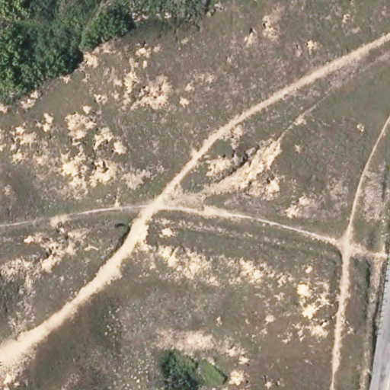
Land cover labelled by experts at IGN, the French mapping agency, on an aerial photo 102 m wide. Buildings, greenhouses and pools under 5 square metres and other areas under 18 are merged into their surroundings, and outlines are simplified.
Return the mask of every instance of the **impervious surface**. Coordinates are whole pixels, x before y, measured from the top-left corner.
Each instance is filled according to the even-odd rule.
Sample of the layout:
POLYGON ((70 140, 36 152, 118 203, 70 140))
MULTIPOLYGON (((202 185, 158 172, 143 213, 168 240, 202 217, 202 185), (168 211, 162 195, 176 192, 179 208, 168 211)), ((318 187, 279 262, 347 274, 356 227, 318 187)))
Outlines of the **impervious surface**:
POLYGON ((390 390, 390 285, 384 285, 381 315, 376 323, 378 338, 370 390, 390 390))

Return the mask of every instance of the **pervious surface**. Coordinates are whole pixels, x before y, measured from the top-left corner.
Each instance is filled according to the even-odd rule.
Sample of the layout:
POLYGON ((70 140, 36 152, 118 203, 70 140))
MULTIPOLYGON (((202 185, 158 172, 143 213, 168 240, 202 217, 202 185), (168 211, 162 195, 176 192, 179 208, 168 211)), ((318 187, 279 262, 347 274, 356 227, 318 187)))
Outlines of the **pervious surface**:
POLYGON ((350 296, 350 257, 360 256, 366 247, 361 247, 353 241, 353 227, 349 224, 343 238, 334 238, 305 230, 299 225, 282 224, 262 216, 257 216, 256 222, 296 232, 306 238, 329 242, 343 254, 329 390, 335 390, 337 370, 340 366, 344 311, 346 300, 350 296))
POLYGON ((24 225, 38 224, 43 218, 38 216, 0 222, 0 229, 17 229, 24 225))
POLYGON ((230 129, 236 123, 270 107, 286 94, 294 96, 303 85, 323 78, 338 67, 346 64, 356 66, 370 50, 390 41, 390 37, 382 35, 378 40, 363 44, 347 55, 328 62, 326 66, 318 67, 309 75, 297 79, 288 87, 271 94, 265 101, 230 119, 224 126, 213 131, 198 151, 195 149, 190 152, 190 160, 184 168, 172 178, 163 192, 148 204, 120 206, 119 203, 114 203, 113 206, 81 210, 84 216, 119 210, 137 213, 139 218, 131 225, 131 232, 120 250, 99 270, 96 277, 76 294, 75 299, 62 306, 61 311, 55 312, 49 320, 38 326, 26 334, 21 334, 17 341, 8 340, 0 344, 0 390, 9 390, 9 382, 17 378, 18 373, 23 372, 24 361, 34 360, 35 344, 47 337, 53 329, 58 328, 67 317, 75 314, 78 306, 93 292, 104 288, 111 280, 119 279, 120 262, 133 251, 136 242, 146 238, 146 224, 151 221, 151 216, 155 212, 180 210, 207 218, 219 216, 230 221, 250 221, 251 215, 207 206, 206 198, 213 193, 230 192, 236 187, 245 187, 259 172, 270 169, 274 158, 280 154, 280 143, 277 140, 262 140, 261 149, 245 163, 244 168, 235 172, 232 177, 225 178, 221 183, 206 184, 200 192, 183 192, 181 180, 198 166, 198 160, 209 151, 216 140, 227 139, 230 129))

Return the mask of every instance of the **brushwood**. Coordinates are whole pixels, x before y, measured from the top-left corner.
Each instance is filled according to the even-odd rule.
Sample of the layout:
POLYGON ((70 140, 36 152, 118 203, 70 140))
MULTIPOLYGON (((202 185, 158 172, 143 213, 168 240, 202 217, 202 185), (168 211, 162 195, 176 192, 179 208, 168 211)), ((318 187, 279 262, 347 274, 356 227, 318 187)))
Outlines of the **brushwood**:
POLYGON ((87 35, 93 49, 108 43, 116 37, 125 38, 136 24, 131 15, 108 8, 94 24, 94 32, 87 35))
POLYGON ((201 361, 193 360, 192 356, 184 355, 181 350, 168 350, 160 363, 165 390, 198 390, 200 387, 203 379, 197 379, 197 370, 201 361))
POLYGON ((40 53, 43 61, 37 61, 34 55, 34 41, 27 37, 24 38, 18 55, 9 53, 8 61, 0 66, 0 69, 12 70, 14 85, 32 93, 44 82, 53 81, 58 76, 70 75, 73 70, 78 69, 84 59, 84 55, 81 50, 69 53, 69 50, 62 49, 53 55, 52 61, 46 59, 43 52, 40 53))

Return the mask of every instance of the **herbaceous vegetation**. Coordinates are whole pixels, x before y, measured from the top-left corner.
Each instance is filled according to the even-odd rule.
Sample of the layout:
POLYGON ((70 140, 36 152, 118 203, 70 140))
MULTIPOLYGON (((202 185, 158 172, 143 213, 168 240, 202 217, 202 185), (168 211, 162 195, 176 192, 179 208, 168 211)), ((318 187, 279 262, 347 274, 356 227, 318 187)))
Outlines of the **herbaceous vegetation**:
POLYGON ((24 38, 27 37, 34 41, 34 55, 37 61, 43 61, 40 53, 43 52, 46 59, 52 61, 53 55, 62 49, 69 50, 69 53, 81 50, 84 55, 93 49, 87 35, 94 32, 94 24, 108 8, 131 15, 136 24, 125 38, 116 37, 108 43, 111 46, 110 53, 99 53, 97 66, 88 66, 84 59, 78 69, 73 70, 70 75, 58 76, 53 81, 44 82, 32 93, 14 85, 12 70, 0 69, 0 222, 38 216, 43 218, 38 224, 24 225, 17 229, 0 229, 0 344, 8 340, 14 331, 9 324, 9 317, 17 312, 18 302, 23 300, 20 296, 20 286, 24 285, 24 280, 17 274, 3 276, 2 265, 14 259, 23 259, 29 254, 41 254, 44 248, 38 245, 38 242, 24 242, 27 236, 46 233, 53 241, 62 244, 62 248, 67 248, 70 232, 88 229, 84 241, 76 242, 75 254, 62 256, 61 262, 53 265, 49 271, 44 270, 40 279, 32 283, 35 297, 32 306, 35 308, 35 323, 38 326, 49 320, 55 312, 61 311, 62 306, 75 299, 76 294, 96 277, 99 270, 120 250, 131 232, 131 225, 139 218, 137 213, 119 210, 84 216, 81 210, 113 206, 114 203, 119 203, 120 206, 148 204, 163 192, 172 178, 184 168, 190 160, 190 152, 195 149, 198 151, 213 131, 224 126, 230 119, 265 101, 271 94, 288 87, 297 79, 309 75, 318 67, 326 66, 328 62, 347 55, 363 44, 378 40, 382 35, 390 37, 390 0, 0 0, 0 66, 8 61, 9 53, 18 55, 24 38), (279 3, 283 6, 283 12, 279 20, 279 38, 274 41, 264 37, 264 17, 271 14, 279 3), (137 62, 136 75, 139 78, 139 82, 133 82, 133 90, 129 96, 131 101, 136 102, 140 99, 142 88, 146 88, 146 85, 151 84, 158 76, 165 76, 171 88, 168 99, 165 104, 161 104, 161 108, 155 110, 151 105, 142 105, 137 110, 120 110, 125 93, 125 76, 129 73, 131 58, 137 62), (69 134, 67 116, 70 114, 79 114, 94 123, 93 128, 88 129, 87 134, 82 137, 82 146, 87 157, 94 160, 108 158, 113 163, 122 165, 133 163, 133 168, 149 171, 151 177, 143 178, 136 189, 128 187, 123 178, 99 180, 96 186, 87 186, 87 197, 82 200, 59 195, 59 189, 72 181, 72 175, 62 175, 64 168, 61 155, 69 154, 72 158, 78 155, 78 149, 73 146, 72 136, 69 134), (114 151, 114 145, 110 140, 102 142, 99 148, 93 148, 94 136, 101 133, 101 129, 104 128, 110 129, 113 136, 120 137, 120 142, 125 148, 122 154, 114 151))
POLYGON ((364 276, 364 273, 366 268, 373 270, 373 264, 367 257, 360 256, 350 257, 350 296, 346 300, 344 311, 340 366, 337 370, 335 390, 366 390, 360 385, 360 376, 363 369, 369 369, 370 361, 373 360, 370 358, 372 323, 367 321, 372 280, 364 276))
POLYGON ((248 358, 245 364, 239 363, 235 356, 215 349, 198 349, 192 356, 193 360, 201 361, 213 358, 213 366, 221 373, 225 385, 200 387, 198 390, 329 390, 343 254, 329 242, 306 238, 296 232, 256 222, 250 221, 230 221, 219 216, 207 218, 180 210, 155 212, 151 216, 151 221, 146 224, 146 238, 136 242, 133 251, 120 262, 119 279, 111 280, 104 288, 93 292, 78 306, 75 314, 67 317, 58 328, 53 329, 47 337, 35 344, 34 360, 24 361, 23 372, 18 373, 17 378, 9 382, 9 390, 165 390, 160 363, 168 350, 157 347, 158 329, 198 331, 200 334, 210 335, 215 340, 232 337, 235 343, 245 350, 245 356, 248 358), (178 248, 177 256, 186 253, 190 248, 193 253, 204 254, 206 261, 213 254, 224 254, 232 259, 244 259, 253 265, 267 262, 273 270, 283 274, 289 273, 296 279, 309 279, 312 282, 328 280, 329 305, 314 312, 315 317, 328 321, 328 335, 320 337, 312 335, 311 331, 303 331, 305 340, 299 340, 296 323, 309 326, 309 320, 300 309, 299 291, 291 283, 279 285, 279 280, 273 277, 262 277, 261 282, 239 285, 229 283, 221 288, 219 294, 215 294, 212 285, 198 280, 197 288, 192 288, 189 279, 180 271, 169 267, 168 262, 160 256, 160 247, 178 248))

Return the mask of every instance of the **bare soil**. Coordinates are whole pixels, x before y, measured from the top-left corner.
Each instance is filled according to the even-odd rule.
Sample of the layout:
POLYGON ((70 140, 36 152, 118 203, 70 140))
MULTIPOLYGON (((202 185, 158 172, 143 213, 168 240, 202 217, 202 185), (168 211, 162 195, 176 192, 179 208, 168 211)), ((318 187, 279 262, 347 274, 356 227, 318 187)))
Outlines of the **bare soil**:
POLYGON ((165 76, 158 76, 151 84, 146 85, 146 88, 142 88, 140 99, 136 102, 131 101, 129 96, 133 90, 133 82, 139 82, 139 78, 136 75, 137 62, 131 58, 129 73, 125 76, 125 93, 120 110, 137 110, 142 105, 151 105, 155 110, 161 108, 161 104, 165 104, 168 99, 171 88, 165 76))
POLYGON ((215 340, 210 335, 200 334, 198 331, 158 329, 157 347, 168 350, 181 350, 184 355, 192 356, 198 349, 215 349, 235 356, 239 363, 245 364, 248 358, 245 356, 245 350, 235 343, 232 337, 215 340))
POLYGON ((283 12, 283 6, 279 3, 271 14, 264 17, 264 37, 274 41, 279 38, 279 20, 283 12))
POLYGON ((20 296, 23 300, 18 302, 17 312, 9 317, 9 324, 14 331, 8 340, 17 341, 21 334, 26 334, 38 326, 35 323, 35 308, 32 306, 35 297, 32 283, 40 279, 44 270, 49 271, 53 265, 61 262, 62 256, 75 254, 76 242, 84 241, 88 229, 70 232, 67 248, 62 248, 62 244, 53 241, 46 233, 27 236, 24 242, 38 242, 38 245, 44 248, 41 254, 29 254, 23 259, 14 259, 2 265, 3 276, 17 274, 24 280, 24 285, 20 286, 20 296))
POLYGON ((235 172, 244 168, 245 163, 261 149, 262 140, 277 140, 280 143, 280 154, 274 158, 270 169, 259 172, 245 187, 236 187, 230 192, 213 193, 206 198, 207 206, 251 215, 250 221, 256 222, 257 216, 262 216, 282 224, 299 225, 305 230, 334 238, 343 238, 349 224, 353 227, 353 241, 361 247, 366 247, 360 256, 367 257, 373 264, 373 270, 366 268, 364 273, 364 276, 372 280, 367 321, 372 323, 370 358, 373 360, 370 361, 369 369, 363 369, 360 376, 360 385, 366 390, 370 390, 378 338, 376 323, 381 315, 384 285, 390 285, 390 41, 370 50, 356 66, 346 64, 338 67, 323 78, 303 85, 294 96, 286 94, 270 107, 236 123, 230 129, 227 139, 216 140, 209 151, 198 160, 198 166, 181 180, 183 192, 200 192, 206 184, 221 183, 225 178, 232 177, 235 172))
POLYGON ((111 46, 108 43, 93 49, 84 55, 84 59, 88 66, 97 66, 99 53, 110 53, 111 46))
POLYGON ((328 335, 328 321, 315 317, 314 312, 329 305, 328 280, 312 282, 309 279, 296 279, 289 273, 283 274, 273 270, 267 262, 253 265, 244 259, 232 259, 224 254, 213 254, 206 261, 204 254, 193 253, 190 248, 186 253, 177 256, 178 248, 160 247, 160 256, 168 262, 169 267, 180 271, 189 279, 192 288, 197 288, 198 280, 212 285, 215 294, 219 294, 221 288, 229 283, 239 285, 261 282, 262 277, 273 277, 279 280, 279 285, 291 283, 299 291, 300 309, 309 320, 309 326, 296 323, 299 340, 305 340, 303 331, 311 331, 312 335, 320 337, 328 335))
POLYGON ((94 160, 87 157, 82 146, 82 137, 87 134, 88 129, 93 128, 94 123, 79 114, 70 114, 67 116, 69 134, 72 136, 73 146, 78 149, 78 155, 72 158, 69 154, 61 155, 64 168, 62 175, 72 175, 72 181, 59 189, 59 195, 82 200, 87 197, 87 186, 96 186, 99 180, 123 178, 128 187, 136 189, 143 178, 151 177, 149 171, 133 168, 133 163, 122 165, 113 163, 108 158, 94 160))
POLYGON ((201 361, 197 370, 197 379, 203 379, 200 387, 225 385, 221 373, 213 366, 213 358, 201 361))
POLYGON ((102 142, 110 140, 114 145, 114 151, 122 154, 125 148, 120 142, 120 137, 113 136, 110 129, 104 128, 101 129, 101 133, 94 136, 93 148, 99 148, 102 142))

